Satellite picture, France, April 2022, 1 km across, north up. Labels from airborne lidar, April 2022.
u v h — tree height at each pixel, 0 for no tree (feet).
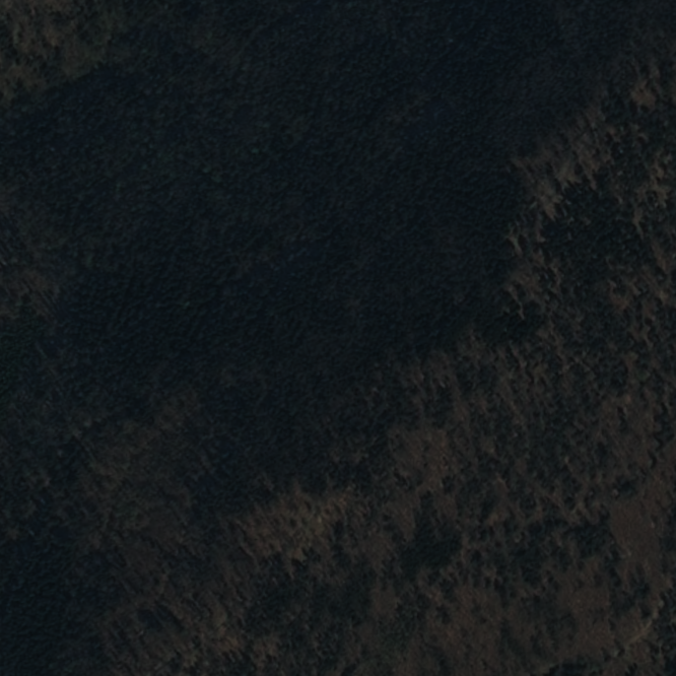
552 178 71
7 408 37
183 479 62
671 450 115
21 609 86
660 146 100
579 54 72
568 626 68
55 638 91
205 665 72
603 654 66
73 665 93
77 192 95
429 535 87
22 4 85
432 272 91
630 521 39
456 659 76
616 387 107
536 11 85
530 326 53
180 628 94
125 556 24
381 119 101
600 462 103
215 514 90
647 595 101
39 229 94
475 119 105
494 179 98
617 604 59
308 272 93
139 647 24
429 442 89
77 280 111
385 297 84
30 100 121
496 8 85
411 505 91
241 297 102
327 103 99
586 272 95
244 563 59
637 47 78
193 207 100
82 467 81
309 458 75
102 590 99
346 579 80
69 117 100
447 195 95
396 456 76
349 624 88
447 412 102
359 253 88
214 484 94
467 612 78
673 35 72
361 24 101
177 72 84
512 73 91
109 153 110
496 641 75
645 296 113
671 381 118
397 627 88
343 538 73
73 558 97
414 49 91
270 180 107
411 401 85
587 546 62
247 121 105
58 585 91
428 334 87
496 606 69
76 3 22
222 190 94
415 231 90
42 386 91
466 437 87
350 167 85
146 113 89
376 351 81
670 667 100
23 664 87
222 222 98
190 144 101
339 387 73
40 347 26
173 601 21
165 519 27
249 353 92
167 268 103
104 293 105
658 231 106
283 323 91
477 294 40
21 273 53
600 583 64
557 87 74
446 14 85
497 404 78
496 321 73
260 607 71
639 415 113
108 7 82
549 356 103
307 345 79
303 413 85
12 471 95
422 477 95
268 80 97
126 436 100
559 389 98
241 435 91
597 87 79
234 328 99
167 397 101
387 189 97
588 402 117
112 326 93
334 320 89
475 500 85
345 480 86
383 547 101
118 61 59
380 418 54
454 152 87
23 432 65
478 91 104
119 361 108
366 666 75
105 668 86
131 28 45
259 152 108
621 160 115
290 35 94
